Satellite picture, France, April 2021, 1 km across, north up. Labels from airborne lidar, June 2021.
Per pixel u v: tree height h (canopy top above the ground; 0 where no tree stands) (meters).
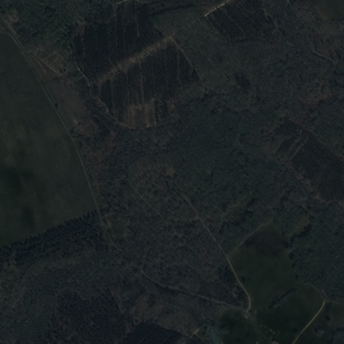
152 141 21
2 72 0
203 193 26
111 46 11
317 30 11
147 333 11
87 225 17
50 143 0
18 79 0
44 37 18
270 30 11
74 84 14
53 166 0
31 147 0
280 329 0
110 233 15
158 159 18
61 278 21
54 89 0
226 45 11
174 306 18
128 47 9
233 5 12
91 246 12
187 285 13
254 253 0
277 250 0
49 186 0
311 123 13
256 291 0
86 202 0
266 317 0
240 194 22
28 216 0
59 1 14
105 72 21
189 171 21
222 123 18
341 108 20
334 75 18
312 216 11
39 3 24
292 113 11
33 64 0
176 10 15
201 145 18
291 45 18
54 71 0
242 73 19
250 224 21
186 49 10
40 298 17
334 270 20
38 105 0
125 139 23
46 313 19
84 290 16
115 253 20
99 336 19
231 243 18
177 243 23
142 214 15
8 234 0
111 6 12
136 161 17
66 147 0
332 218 22
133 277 16
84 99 16
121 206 18
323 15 0
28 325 21
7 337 18
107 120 16
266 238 0
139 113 0
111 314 19
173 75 10
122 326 20
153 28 18
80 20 13
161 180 14
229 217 11
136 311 12
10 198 0
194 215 14
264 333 0
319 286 16
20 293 16
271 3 19
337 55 8
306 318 0
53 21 26
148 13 11
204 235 13
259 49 20
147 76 9
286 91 25
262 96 18
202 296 11
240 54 16
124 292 17
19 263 11
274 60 21
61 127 0
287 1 13
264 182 21
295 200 21
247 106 16
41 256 10
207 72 17
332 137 22
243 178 23
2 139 0
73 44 8
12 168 0
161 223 17
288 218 19
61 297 14
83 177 0
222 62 20
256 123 18
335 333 10
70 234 17
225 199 23
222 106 17
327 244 20
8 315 15
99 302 19
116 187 20
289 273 0
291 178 17
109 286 19
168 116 24
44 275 22
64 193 0
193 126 21
